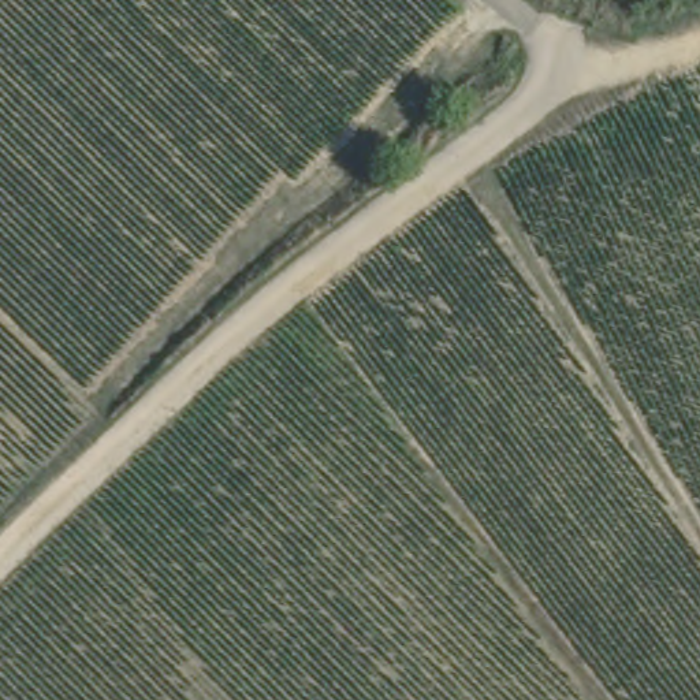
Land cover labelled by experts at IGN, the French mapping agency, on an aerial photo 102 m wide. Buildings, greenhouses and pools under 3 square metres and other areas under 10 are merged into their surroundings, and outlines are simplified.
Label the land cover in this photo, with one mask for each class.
<instances>
[{"label":"vineyard","instance_id":"1","mask_svg":"<svg viewBox=\"0 0 700 700\"><path fill-rule=\"evenodd\" d=\"M500 16L492 8L462 11L457 0H0V530L68 465H74L115 421L101 413V407L120 388L129 386L137 369L164 345V339L189 317H194L202 309V304L227 284V279L238 268L254 260L287 224L320 208L334 194V189L345 180V172L334 164V156L350 142V137L361 126H366L377 115L386 98L405 79V74L418 71L435 49L470 55V49L487 33L500 30ZM0 700H700V63L673 79H659L648 74L640 79L618 82L613 88L580 93L555 107L550 115H544V120H539L530 131L517 137L489 164L470 172L432 211H421L410 219V224L402 232L372 246L345 276L331 282L328 293H323L320 298L298 301L282 320L263 331L252 347L232 358L172 421H167L139 451H134L131 459L112 479H107L85 503H79L0 582Z\"/></svg>","mask_w":700,"mask_h":700},{"label":"pervious surface","instance_id":"2","mask_svg":"<svg viewBox=\"0 0 700 700\"><path fill-rule=\"evenodd\" d=\"M528 66L522 85L498 112H492L481 126L470 129L462 137H457L440 156L429 159L413 180L402 183L394 191H386L353 221L328 235L317 249L304 254L293 268L268 282L252 301L238 306L224 323H219V328L202 345H197L175 369L161 375L153 383V388L120 421H115L74 465H68L0 530V582L79 503H85L107 479H112L131 459L134 451H139L167 421H172L232 358L252 347L263 331L282 320L298 301L320 298L323 293H328L331 282L345 276L372 246L402 232L410 224V219L421 211H432L470 172L489 164L517 137L530 131L539 120H544V115H550L555 107L580 93L613 88L618 82L640 79L648 74L659 79H673L700 63V25L681 36L645 38L626 46H596L582 38L580 25L547 14L536 33L525 41Z\"/></svg>","mask_w":700,"mask_h":700},{"label":"herbaceous vegetation","instance_id":"3","mask_svg":"<svg viewBox=\"0 0 700 700\"><path fill-rule=\"evenodd\" d=\"M528 66L525 41L514 30H500L487 33L470 49V55L435 49L418 71L405 74V79L386 98L377 115L366 126H361L350 137V142L334 156V164L345 172V180L334 189V194L320 208L287 224L254 260L238 268L227 279V284L202 304V309L194 317H189L164 339V345L137 369L129 386L120 388L101 407V413L115 421H120L153 388V383L161 375L175 369L197 345H202L219 328V323H224L238 306L252 301L268 282L293 268L304 254L317 249L328 235L353 221L386 191L377 186L375 178V153L383 148L386 137H399L405 145H421L424 156L429 159L440 156L457 137L440 120L454 90L476 93L479 104L468 118L470 129L481 126L492 112H498L522 85Z\"/></svg>","mask_w":700,"mask_h":700},{"label":"coniferous trees","instance_id":"4","mask_svg":"<svg viewBox=\"0 0 700 700\"><path fill-rule=\"evenodd\" d=\"M536 11L547 14L580 25L582 38L596 46H626L645 38L681 36L700 25V0H525Z\"/></svg>","mask_w":700,"mask_h":700},{"label":"deciduous trees","instance_id":"5","mask_svg":"<svg viewBox=\"0 0 700 700\"><path fill-rule=\"evenodd\" d=\"M479 104L476 93L454 90L440 120L457 137H462L470 129L468 118ZM429 159L424 156L421 145H405L399 137H386L383 148L375 153V178L377 186L386 191H394L402 183L413 180Z\"/></svg>","mask_w":700,"mask_h":700},{"label":"impervious surface","instance_id":"6","mask_svg":"<svg viewBox=\"0 0 700 700\"><path fill-rule=\"evenodd\" d=\"M462 11L492 8L500 16V30H514L525 41L536 33L547 14L536 11L525 0H457Z\"/></svg>","mask_w":700,"mask_h":700}]
</instances>
